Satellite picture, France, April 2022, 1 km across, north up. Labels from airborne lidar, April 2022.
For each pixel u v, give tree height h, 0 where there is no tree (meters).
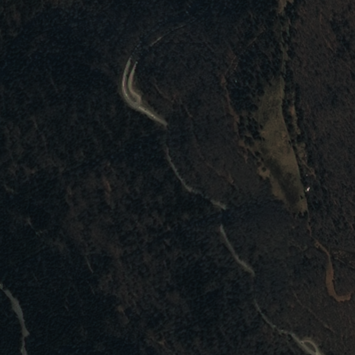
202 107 17
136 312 36
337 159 23
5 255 29
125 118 22
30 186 30
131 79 0
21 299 17
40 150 28
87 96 25
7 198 26
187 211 25
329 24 24
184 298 20
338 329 15
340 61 28
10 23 23
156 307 11
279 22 0
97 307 23
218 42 15
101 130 19
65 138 31
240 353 30
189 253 30
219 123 25
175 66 20
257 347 27
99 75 26
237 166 15
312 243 8
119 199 14
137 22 19
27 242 25
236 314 20
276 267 22
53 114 26
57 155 26
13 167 24
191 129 21
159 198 25
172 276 21
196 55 14
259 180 16
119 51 17
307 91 14
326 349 14
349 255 0
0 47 29
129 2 27
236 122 0
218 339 19
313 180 12
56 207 32
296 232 9
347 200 13
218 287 22
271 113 0
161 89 21
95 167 29
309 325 19
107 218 32
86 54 19
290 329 26
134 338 25
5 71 25
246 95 15
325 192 23
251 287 23
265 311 26
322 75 24
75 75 27
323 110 15
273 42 7
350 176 24
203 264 26
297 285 11
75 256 28
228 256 27
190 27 24
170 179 24
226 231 14
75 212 20
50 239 25
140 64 15
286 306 8
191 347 33
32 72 31
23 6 21
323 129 18
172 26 23
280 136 0
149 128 24
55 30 28
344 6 15
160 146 20
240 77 13
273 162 0
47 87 24
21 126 30
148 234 32
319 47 6
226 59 14
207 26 18
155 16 21
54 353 37
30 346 22
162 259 21
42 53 17
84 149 16
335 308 15
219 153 18
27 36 33
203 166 19
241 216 18
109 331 20
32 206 21
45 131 28
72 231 26
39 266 24
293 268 17
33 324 32
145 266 32
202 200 31
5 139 25
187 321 20
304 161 0
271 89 0
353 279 13
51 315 21
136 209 24
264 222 15
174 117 18
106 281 24
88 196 23
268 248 20
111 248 23
